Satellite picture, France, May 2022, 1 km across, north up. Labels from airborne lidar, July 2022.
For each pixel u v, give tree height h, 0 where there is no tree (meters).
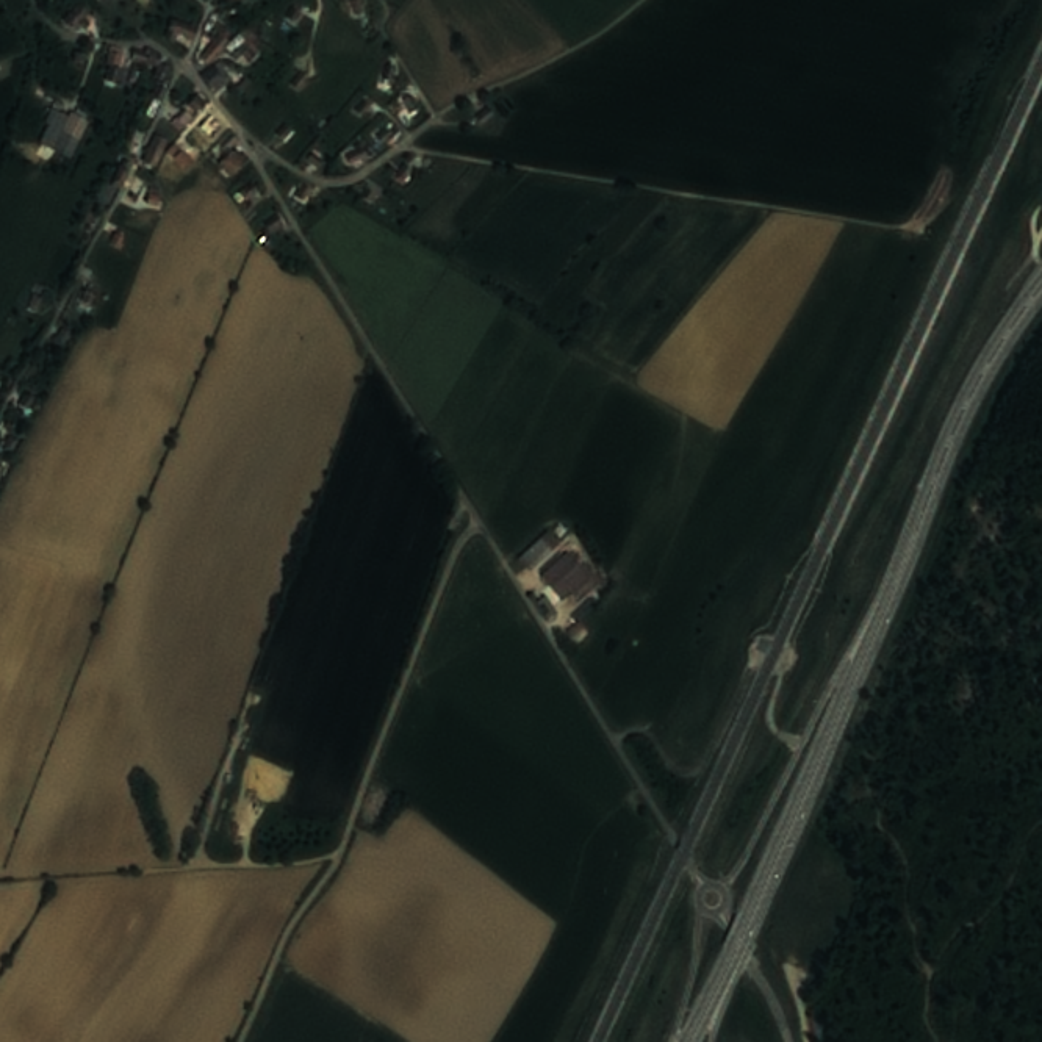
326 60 0
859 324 0
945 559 8
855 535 0
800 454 0
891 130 0
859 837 14
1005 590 15
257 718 0
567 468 0
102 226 0
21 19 6
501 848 0
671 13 0
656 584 0
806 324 0
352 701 0
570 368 0
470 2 0
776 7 0
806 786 0
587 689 0
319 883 0
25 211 0
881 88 0
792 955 0
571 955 0
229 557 0
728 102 0
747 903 0
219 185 0
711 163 0
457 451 0
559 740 0
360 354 0
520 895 0
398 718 0
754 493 0
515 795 0
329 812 0
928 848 20
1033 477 8
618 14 0
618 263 0
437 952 0
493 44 0
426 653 0
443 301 0
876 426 0
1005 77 0
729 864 0
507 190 0
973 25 0
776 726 0
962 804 6
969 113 8
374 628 0
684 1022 0
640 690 0
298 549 14
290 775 0
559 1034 0
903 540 0
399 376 0
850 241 0
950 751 7
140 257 0
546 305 0
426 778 0
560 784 0
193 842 15
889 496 0
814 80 0
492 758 0
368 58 0
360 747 0
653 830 0
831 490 0
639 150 0
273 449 0
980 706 14
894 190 0
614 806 0
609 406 0
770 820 0
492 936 0
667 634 0
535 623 0
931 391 0
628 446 0
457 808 0
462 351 0
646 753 12
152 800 20
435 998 0
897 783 12
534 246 0
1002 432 23
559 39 0
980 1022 6
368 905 0
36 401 7
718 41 0
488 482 0
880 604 0
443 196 0
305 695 0
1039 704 17
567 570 0
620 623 0
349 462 0
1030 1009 6
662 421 0
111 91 0
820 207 0
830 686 0
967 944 15
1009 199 0
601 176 0
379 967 0
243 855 0
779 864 0
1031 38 0
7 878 6
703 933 0
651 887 0
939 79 0
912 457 0
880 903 14
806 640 0
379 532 0
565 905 0
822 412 0
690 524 0
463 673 0
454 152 0
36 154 0
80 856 0
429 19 0
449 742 0
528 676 0
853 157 0
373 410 0
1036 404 24
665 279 0
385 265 0
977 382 0
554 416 0
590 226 0
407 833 0
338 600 0
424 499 0
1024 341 0
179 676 0
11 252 0
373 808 0
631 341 0
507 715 0
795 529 0
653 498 0
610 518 0
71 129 0
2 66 0
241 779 0
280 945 0
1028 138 0
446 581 0
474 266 0
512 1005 0
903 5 0
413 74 0
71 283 12
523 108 0
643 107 0
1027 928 11
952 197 0
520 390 0
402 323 0
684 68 0
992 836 29
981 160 0
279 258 11
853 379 0
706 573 0
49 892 13
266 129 0
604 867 0
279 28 0
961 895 21
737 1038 0
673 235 0
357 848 0
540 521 0
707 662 0
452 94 0
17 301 0
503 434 0
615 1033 0
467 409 0
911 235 0
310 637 0
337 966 0
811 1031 0
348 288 0
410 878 0
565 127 0
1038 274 0
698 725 0
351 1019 0
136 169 0
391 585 0
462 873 0
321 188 0
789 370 0
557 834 0
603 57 0
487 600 0
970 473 25
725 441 0
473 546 0
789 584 0
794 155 0
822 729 0
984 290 0
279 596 10
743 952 0
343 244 0
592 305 11
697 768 0
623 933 0
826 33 0
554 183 0
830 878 0
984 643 25
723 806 0
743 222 0
